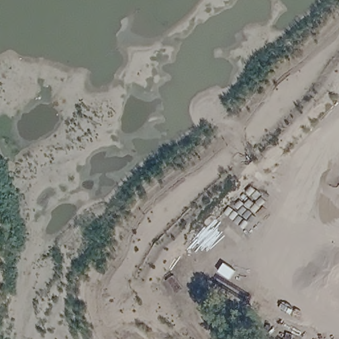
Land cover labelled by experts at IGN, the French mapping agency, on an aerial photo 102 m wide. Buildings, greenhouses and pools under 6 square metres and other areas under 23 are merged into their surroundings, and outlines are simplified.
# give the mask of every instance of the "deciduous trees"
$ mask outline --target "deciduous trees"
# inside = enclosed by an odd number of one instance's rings
[[[264,83],[269,81],[267,75],[273,73],[271,64],[277,64],[279,58],[290,60],[301,57],[302,50],[299,44],[303,44],[307,37],[319,33],[319,26],[327,23],[331,5],[339,8],[339,0],[324,0],[315,12],[310,12],[309,16],[303,17],[285,32],[277,40],[256,50],[246,61],[244,72],[238,77],[237,83],[230,87],[228,93],[220,95],[226,113],[240,114],[241,103],[246,101],[246,95],[261,94],[264,91]]]
[[[163,144],[158,154],[147,159],[143,167],[132,171],[132,175],[124,181],[121,191],[118,191],[106,204],[105,212],[82,230],[82,246],[78,250],[79,256],[74,258],[66,274],[68,282],[61,282],[57,287],[58,291],[62,291],[62,287],[66,286],[65,313],[60,316],[65,316],[68,320],[69,339],[94,339],[91,336],[93,324],[85,318],[85,302],[78,299],[79,282],[89,281],[87,270],[95,269],[98,273],[105,273],[107,258],[111,260],[117,250],[121,250],[121,246],[114,238],[114,228],[119,218],[130,216],[134,197],[139,196],[142,199],[146,195],[142,181],[151,183],[152,177],[156,177],[159,184],[163,184],[164,173],[171,168],[184,169],[185,156],[191,155],[197,146],[208,147],[211,144],[211,135],[216,131],[216,127],[205,119],[200,119],[200,123],[197,124],[196,131],[191,131],[191,134],[184,136],[179,142]]]
[[[208,293],[204,303],[200,303],[203,319],[201,326],[211,331],[208,339],[274,339],[269,330],[265,330],[264,322],[260,322],[260,316],[250,307],[250,303],[246,307],[232,310],[230,316],[225,318],[225,301],[228,299],[220,297],[222,290],[215,289]]]

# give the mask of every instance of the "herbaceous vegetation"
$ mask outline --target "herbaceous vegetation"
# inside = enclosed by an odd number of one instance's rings
[[[211,331],[201,326],[203,319],[200,303],[204,303],[208,293],[215,289],[222,290],[220,297],[228,299],[225,301],[225,318],[230,316],[232,310],[246,307],[250,303],[248,291],[242,290],[236,283],[220,274],[199,273],[193,266],[185,266],[183,257],[164,275],[163,285],[168,295],[171,295],[171,305],[175,307],[177,316],[185,326],[180,328],[173,339],[208,339]]]
[[[166,50],[160,48],[158,54],[151,57],[151,61],[158,61],[159,66],[152,69],[151,77],[147,78],[147,86],[126,83],[115,75],[110,85],[126,89],[127,94],[122,95],[123,101],[126,102],[130,97],[148,102],[162,97],[159,87],[171,79],[171,75],[163,72],[163,66],[175,61],[176,53],[167,56]]]
[[[58,249],[62,254],[62,273],[61,278],[58,278],[53,286],[57,287],[61,282],[68,282],[66,274],[74,258],[79,256],[78,250],[82,246],[82,230],[105,212],[106,204],[118,191],[113,188],[109,195],[98,199],[99,203],[94,203],[93,207],[83,212],[83,215],[75,213],[64,228],[64,237],[58,241]]]
[[[38,78],[40,91],[30,99],[24,111],[17,111],[16,117],[0,115],[0,155],[8,163],[20,152],[15,140],[15,136],[19,134],[17,122],[21,115],[38,105],[50,105],[54,102],[52,87],[46,87],[44,79]]]

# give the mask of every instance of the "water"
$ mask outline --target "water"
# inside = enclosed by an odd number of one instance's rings
[[[279,0],[286,9],[278,17],[274,29],[285,32],[303,17],[309,16],[310,12],[315,12],[324,0]]]
[[[271,0],[238,0],[232,8],[225,9],[220,15],[209,17],[204,23],[197,25],[195,30],[184,38],[183,45],[176,53],[175,61],[163,66],[163,72],[171,75],[171,79],[159,87],[162,97],[148,102],[130,97],[126,102],[121,118],[123,132],[139,130],[156,107],[164,107],[164,122],[156,123],[155,127],[156,130],[166,131],[167,135],[158,139],[134,139],[132,142],[134,151],[139,155],[144,154],[147,159],[158,154],[163,144],[179,142],[184,136],[191,134],[191,131],[196,131],[197,124],[193,123],[189,114],[192,99],[201,91],[212,87],[225,87],[232,75],[233,66],[224,58],[215,57],[215,50],[232,46],[236,41],[236,33],[244,30],[246,26],[266,24],[271,16]]]
[[[61,204],[53,209],[46,233],[53,234],[64,228],[75,213],[77,208],[74,204]]]
[[[132,160],[130,155],[109,158],[105,151],[99,151],[90,158],[91,175],[119,171]]]
[[[121,29],[124,17],[134,16],[134,21],[128,24],[132,33],[142,37],[158,38],[184,21],[189,13],[195,11],[201,0],[0,0],[0,54],[13,50],[20,57],[45,58],[48,61],[61,62],[73,69],[86,69],[91,85],[110,85],[115,75],[126,66],[117,46],[117,32]]]
[[[50,105],[38,105],[21,115],[17,122],[19,134],[24,140],[48,138],[58,123],[58,103],[54,102]]]

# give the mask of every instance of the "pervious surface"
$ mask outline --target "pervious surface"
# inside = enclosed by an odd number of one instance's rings
[[[233,168],[218,167],[216,179],[197,193],[195,199],[185,205],[179,215],[167,222],[158,236],[152,238],[139,264],[135,265],[132,278],[134,281],[146,282],[146,277],[150,277],[152,291],[163,291],[164,295],[168,295],[163,285],[164,275],[183,257],[185,266],[193,266],[199,273],[220,274],[236,283],[242,290],[248,291],[250,303],[250,307],[260,316],[260,322],[264,322],[265,330],[269,330],[274,339],[339,339],[339,49],[328,57],[313,83],[318,91],[303,107],[303,113],[299,113],[294,106],[274,127],[265,128],[265,135],[262,135],[260,142],[246,144],[244,152],[240,152],[240,158],[245,158],[244,162]],[[201,220],[199,213],[205,209],[204,201],[215,201],[220,196],[220,191],[213,191],[212,185],[222,183],[230,175],[238,177],[240,187],[230,191],[213,209],[207,220]]]

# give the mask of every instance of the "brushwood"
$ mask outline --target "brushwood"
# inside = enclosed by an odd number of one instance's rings
[[[41,254],[44,260],[52,258],[53,275],[46,282],[44,289],[38,289],[34,293],[32,301],[34,314],[38,314],[38,303],[44,301],[44,297],[50,293],[53,286],[58,278],[61,278],[62,273],[62,254],[58,249],[58,241],[53,242],[48,253]]]
[[[220,191],[220,196],[215,201],[204,201],[205,209],[199,213],[201,220],[207,220],[213,209],[230,191],[240,187],[238,177],[230,175],[222,183],[212,185],[213,191]]]
[[[20,260],[28,233],[23,218],[20,217],[20,200],[25,199],[25,196],[13,185],[8,163],[0,155],[0,327],[3,319],[8,316],[8,306],[11,303],[7,294],[16,294],[16,264]]]
[[[303,113],[303,107],[318,91],[313,83],[306,90],[306,94],[294,102],[294,106],[299,113]]]

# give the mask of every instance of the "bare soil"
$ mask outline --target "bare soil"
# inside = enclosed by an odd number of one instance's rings
[[[53,234],[46,233],[53,209],[61,204],[74,204],[77,208],[75,213],[83,215],[83,212],[93,207],[94,203],[99,203],[98,199],[109,195],[113,188],[118,191],[121,191],[124,181],[132,175],[132,171],[143,167],[147,159],[144,154],[139,155],[134,151],[132,142],[134,139],[158,139],[167,135],[166,131],[156,130],[155,127],[156,123],[164,122],[164,107],[156,107],[139,130],[123,132],[121,118],[126,102],[123,101],[122,95],[127,94],[126,89],[110,85],[91,85],[86,69],[73,69],[61,62],[48,61],[45,58],[20,57],[13,50],[0,54],[0,115],[16,117],[17,111],[24,111],[30,99],[40,91],[38,78],[44,79],[46,87],[52,87],[54,102],[58,103],[58,123],[48,138],[24,140],[19,134],[15,136],[15,140],[20,152],[8,163],[13,185],[25,196],[25,199],[20,200],[20,217],[23,218],[28,233],[20,260],[16,264],[16,294],[7,294],[11,303],[8,306],[8,316],[3,319],[0,327],[0,339],[69,339],[68,320],[65,316],[60,316],[65,313],[66,286],[62,287],[62,291],[58,291],[57,287],[53,286],[50,293],[44,297],[44,301],[38,303],[38,314],[34,314],[32,301],[34,293],[38,289],[44,289],[46,282],[53,275],[52,258],[44,260],[41,254],[48,253],[53,242],[58,241],[64,237],[64,228]],[[90,158],[99,151],[105,151],[109,158],[130,155],[132,160],[119,171],[91,175]]]
[[[152,238],[158,236],[167,222],[179,215],[185,205],[195,199],[197,193],[216,179],[218,167],[233,168],[244,162],[245,158],[240,158],[240,152],[244,152],[246,144],[260,142],[262,135],[265,135],[265,128],[274,127],[294,106],[294,102],[306,94],[306,90],[313,83],[328,57],[339,49],[339,8],[331,5],[327,23],[319,26],[319,33],[307,37],[303,44],[299,44],[302,50],[301,57],[290,60],[279,58],[277,64],[271,64],[273,73],[267,75],[269,81],[264,83],[264,91],[261,94],[246,95],[246,101],[241,103],[240,114],[226,113],[220,95],[228,93],[230,87],[237,83],[238,77],[244,72],[246,61],[256,50],[277,40],[285,32],[274,29],[278,17],[286,9],[279,0],[271,0],[271,16],[266,24],[246,26],[244,30],[236,33],[236,41],[232,46],[215,50],[215,57],[224,58],[233,66],[232,75],[225,87],[212,87],[201,91],[192,99],[189,114],[193,123],[197,124],[200,123],[200,119],[205,119],[216,127],[216,131],[211,135],[211,144],[208,147],[197,146],[191,155],[185,156],[184,169],[171,168],[164,173],[163,184],[159,184],[156,177],[152,177],[151,183],[142,181],[146,195],[142,199],[139,196],[134,197],[130,216],[119,218],[114,228],[114,238],[121,246],[121,250],[117,250],[111,260],[107,258],[105,273],[98,273],[95,269],[87,270],[89,281],[79,282],[78,299],[85,302],[85,318],[93,324],[91,336],[94,339],[173,339],[180,328],[185,326],[177,316],[175,307],[171,305],[171,295],[168,295],[164,295],[163,291],[152,291],[150,277],[146,277],[146,282],[134,281],[132,278],[135,265],[139,264]]]
[[[124,17],[121,29],[117,32],[117,46],[126,66],[115,75],[126,83],[147,86],[147,78],[151,77],[152,69],[159,66],[158,61],[151,61],[151,57],[158,54],[160,48],[166,50],[167,56],[176,53],[183,45],[184,38],[195,30],[197,25],[204,23],[209,17],[220,15],[225,9],[232,8],[238,0],[201,0],[195,11],[189,13],[184,21],[158,38],[142,37],[132,33],[128,24],[134,21],[134,16]]]

